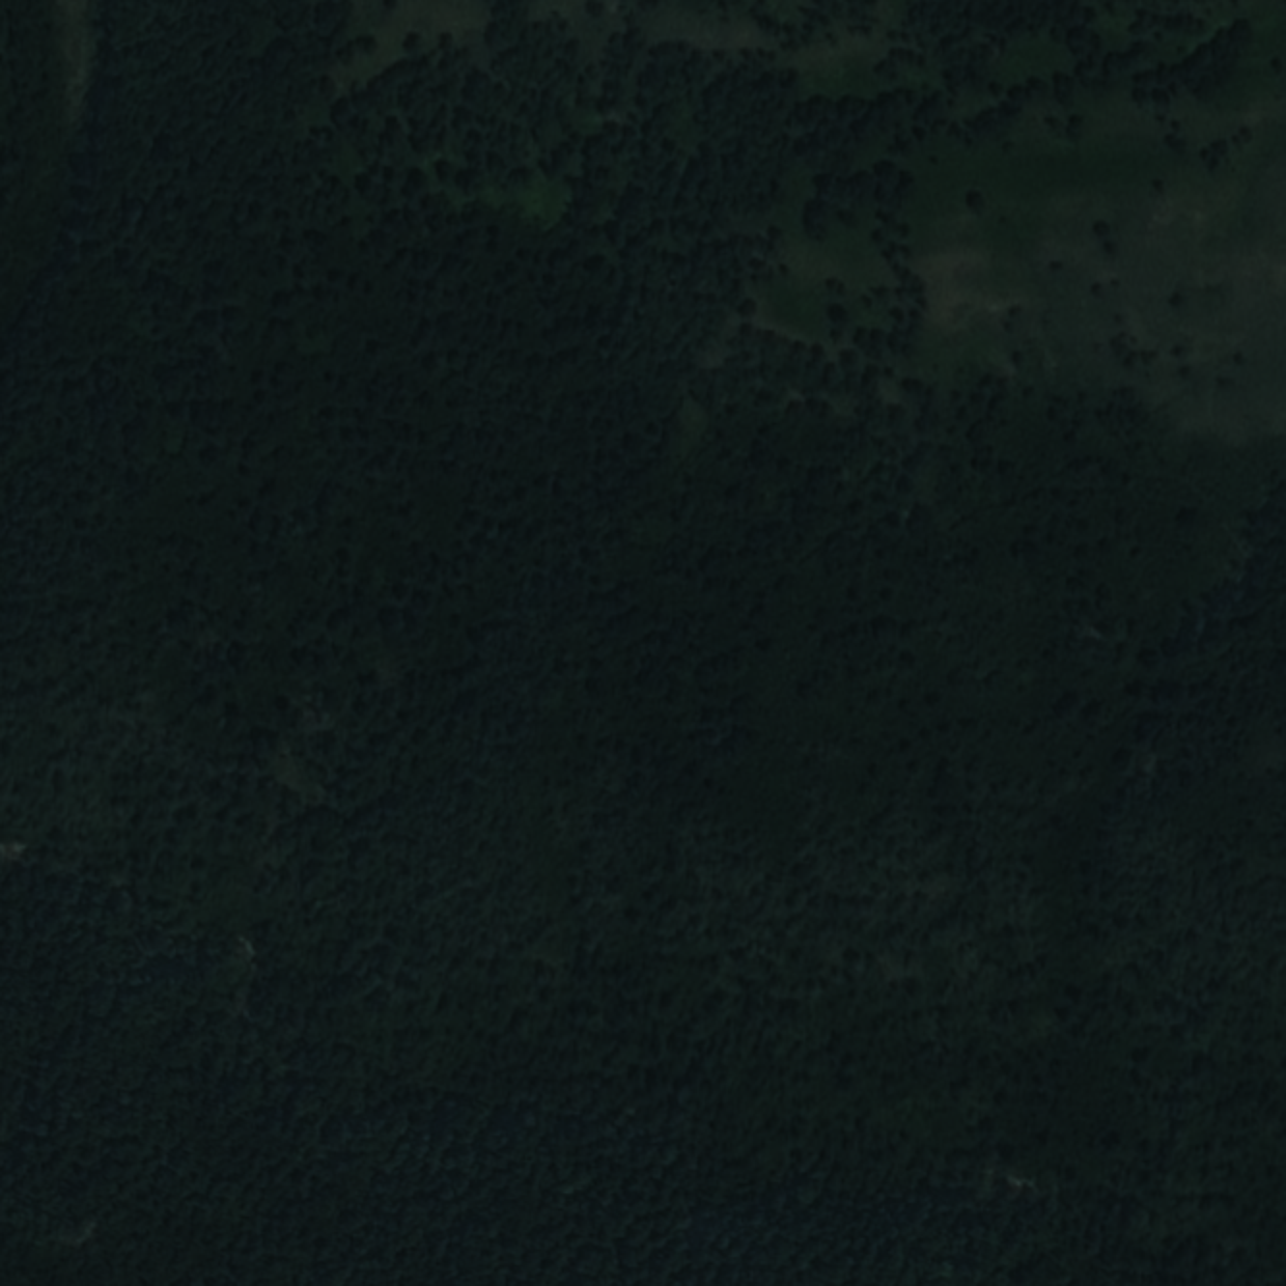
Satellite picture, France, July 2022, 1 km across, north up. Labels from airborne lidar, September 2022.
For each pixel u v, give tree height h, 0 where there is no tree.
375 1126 19
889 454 12
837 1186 24
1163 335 0
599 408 16
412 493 8
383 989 24
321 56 20
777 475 6
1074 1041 7
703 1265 20
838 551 18
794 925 15
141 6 19
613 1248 11
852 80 0
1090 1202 12
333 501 26
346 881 12
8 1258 19
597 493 17
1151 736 24
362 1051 10
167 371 20
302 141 22
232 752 7
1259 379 0
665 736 10
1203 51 14
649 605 9
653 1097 31
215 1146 24
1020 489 6
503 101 17
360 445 8
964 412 14
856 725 9
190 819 21
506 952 20
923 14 17
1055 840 9
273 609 13
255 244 21
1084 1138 11
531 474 8
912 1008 11
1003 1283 22
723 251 18
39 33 13
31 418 25
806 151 22
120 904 28
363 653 7
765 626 17
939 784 20
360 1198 20
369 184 26
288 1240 26
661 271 22
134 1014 19
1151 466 6
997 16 14
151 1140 28
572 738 11
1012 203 0
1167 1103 15
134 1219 22
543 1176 16
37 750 13
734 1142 30
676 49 11
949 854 9
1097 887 16
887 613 7
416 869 10
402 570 11
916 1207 14
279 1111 14
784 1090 15
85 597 8
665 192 18
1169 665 7
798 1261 23
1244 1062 9
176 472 8
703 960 18
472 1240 28
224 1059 18
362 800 22
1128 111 0
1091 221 0
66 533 7
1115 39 0
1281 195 0
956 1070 7
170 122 25
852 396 13
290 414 28
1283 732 10
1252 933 8
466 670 10
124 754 16
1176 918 20
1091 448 6
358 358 7
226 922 8
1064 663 8
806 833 9
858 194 22
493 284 6
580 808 17
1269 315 0
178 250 7
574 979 8
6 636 16
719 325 10
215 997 18
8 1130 19
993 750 8
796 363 17
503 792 8
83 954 25
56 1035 18
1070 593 8
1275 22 0
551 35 18
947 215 0
